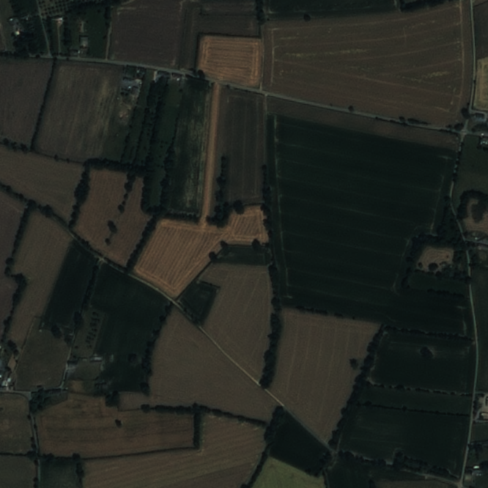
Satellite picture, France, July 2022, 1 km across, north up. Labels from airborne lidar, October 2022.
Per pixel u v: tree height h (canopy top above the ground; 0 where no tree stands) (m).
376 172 0
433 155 0
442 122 0
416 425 0
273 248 6
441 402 0
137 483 0
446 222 11
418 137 0
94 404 0
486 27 0
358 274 0
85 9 14
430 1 14
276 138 0
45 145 0
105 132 0
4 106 0
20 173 0
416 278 0
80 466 11
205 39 0
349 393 0
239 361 0
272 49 0
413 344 0
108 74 0
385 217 0
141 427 0
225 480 0
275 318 17
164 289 0
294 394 0
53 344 0
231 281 0
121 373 0
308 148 0
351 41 0
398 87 0
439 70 0
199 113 0
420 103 0
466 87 0
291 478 0
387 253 0
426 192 0
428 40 0
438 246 14
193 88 0
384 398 0
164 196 16
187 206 0
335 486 0
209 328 0
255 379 0
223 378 0
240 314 0
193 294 0
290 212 0
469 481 0
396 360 0
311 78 0
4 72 0
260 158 0
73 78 0
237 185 0
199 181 0
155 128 9
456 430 0
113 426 0
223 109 0
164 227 0
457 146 0
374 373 0
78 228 0
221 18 0
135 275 0
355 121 0
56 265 0
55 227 0
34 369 0
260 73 0
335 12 0
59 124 0
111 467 0
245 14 0
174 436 0
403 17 0
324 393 0
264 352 0
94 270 13
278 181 0
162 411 12
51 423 0
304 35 0
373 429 0
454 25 0
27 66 0
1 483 0
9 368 10
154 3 0
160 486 0
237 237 0
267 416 0
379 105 0
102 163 16
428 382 0
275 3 0
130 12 0
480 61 0
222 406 0
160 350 0
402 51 0
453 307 0
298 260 0
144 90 0
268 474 0
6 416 0
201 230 0
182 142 0
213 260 18
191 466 0
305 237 0
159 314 0
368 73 0
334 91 0
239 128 0
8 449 0
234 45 0
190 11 0
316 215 0
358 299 0
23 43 18
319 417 0
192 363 0
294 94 0
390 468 7
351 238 0
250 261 0
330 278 0
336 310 0
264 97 0
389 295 0
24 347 0
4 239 0
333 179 0
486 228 0
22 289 9
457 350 0
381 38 0
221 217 18
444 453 0
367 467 0
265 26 0
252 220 0
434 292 12
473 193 14
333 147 0
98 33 0
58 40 0
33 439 9
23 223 12
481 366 0
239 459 0
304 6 0
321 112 0
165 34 0
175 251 0
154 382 0
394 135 0
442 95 0
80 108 0
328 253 0
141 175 14
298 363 0
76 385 0
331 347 0
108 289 0
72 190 0
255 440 0
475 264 7
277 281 17
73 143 0
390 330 14
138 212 0
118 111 0
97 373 0
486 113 0
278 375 0
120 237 0
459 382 0
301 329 0
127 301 0
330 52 0
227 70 0
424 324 0
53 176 0
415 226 0
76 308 0
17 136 0
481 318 0
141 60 0
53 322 0
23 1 8
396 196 0
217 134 0
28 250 0
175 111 0
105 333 0
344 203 0
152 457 0
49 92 8
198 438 14
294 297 0
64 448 0
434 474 8
